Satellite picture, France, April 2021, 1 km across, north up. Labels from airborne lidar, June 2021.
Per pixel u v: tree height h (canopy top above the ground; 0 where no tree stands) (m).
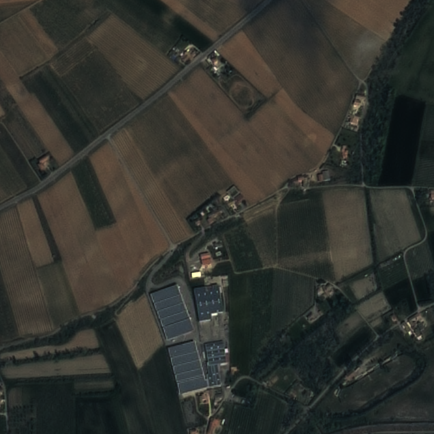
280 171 0
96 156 0
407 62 0
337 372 20
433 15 0
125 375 0
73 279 0
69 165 0
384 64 17
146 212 0
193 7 0
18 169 0
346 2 0
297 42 0
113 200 0
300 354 26
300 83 0
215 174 0
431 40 0
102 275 0
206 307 0
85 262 0
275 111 0
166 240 0
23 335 0
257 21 0
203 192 0
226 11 0
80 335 0
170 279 0
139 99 0
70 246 0
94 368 0
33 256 0
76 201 0
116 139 0
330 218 0
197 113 0
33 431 7
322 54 0
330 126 0
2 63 0
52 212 0
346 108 0
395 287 0
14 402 0
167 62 0
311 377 31
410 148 0
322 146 0
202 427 6
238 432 0
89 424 0
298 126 0
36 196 0
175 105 0
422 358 9
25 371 0
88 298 0
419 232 0
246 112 0
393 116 0
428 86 0
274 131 0
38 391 0
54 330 0
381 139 22
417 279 0
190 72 0
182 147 0
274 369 13
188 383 0
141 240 0
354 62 0
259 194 0
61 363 0
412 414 0
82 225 0
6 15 0
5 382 0
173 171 0
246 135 0
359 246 0
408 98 0
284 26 0
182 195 0
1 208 0
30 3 0
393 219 0
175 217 0
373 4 0
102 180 0
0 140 0
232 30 0
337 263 0
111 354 0
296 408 28
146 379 0
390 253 0
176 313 0
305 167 0
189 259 0
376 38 0
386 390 0
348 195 0
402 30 17
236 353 0
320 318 6
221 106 0
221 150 0
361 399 0
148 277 0
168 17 0
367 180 10
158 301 0
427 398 0
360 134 8
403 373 0
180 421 0
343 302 19
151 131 0
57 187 0
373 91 15
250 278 0
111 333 0
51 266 0
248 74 0
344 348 0
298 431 9
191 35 0
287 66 0
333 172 0
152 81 0
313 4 0
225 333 0
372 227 8
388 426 0
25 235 0
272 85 0
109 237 0
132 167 0
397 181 0
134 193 0
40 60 0
